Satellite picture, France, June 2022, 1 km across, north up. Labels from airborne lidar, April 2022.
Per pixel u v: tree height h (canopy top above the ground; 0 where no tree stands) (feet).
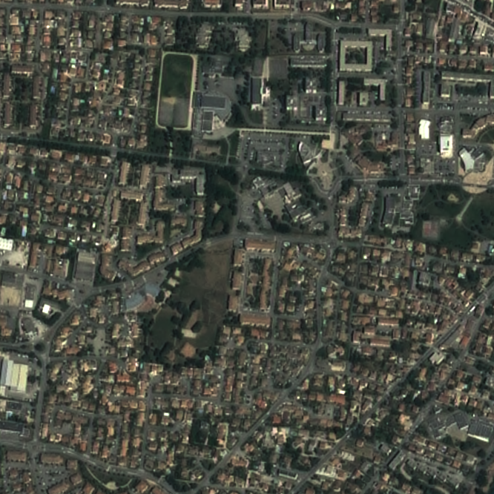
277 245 0
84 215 37
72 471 0
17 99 36
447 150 0
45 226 0
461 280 32
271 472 29
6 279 0
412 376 42
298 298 31
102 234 0
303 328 39
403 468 0
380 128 0
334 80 0
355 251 18
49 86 20
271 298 0
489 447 0
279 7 0
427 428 0
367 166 0
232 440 0
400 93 0
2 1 0
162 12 0
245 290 0
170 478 41
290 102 0
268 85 25
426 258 0
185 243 0
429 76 0
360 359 26
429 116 0
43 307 0
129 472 0
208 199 28
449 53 26
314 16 0
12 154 0
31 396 0
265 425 29
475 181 0
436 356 0
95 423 23
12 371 0
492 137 0
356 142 0
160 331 0
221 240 0
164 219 32
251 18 31
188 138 30
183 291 0
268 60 0
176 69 0
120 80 0
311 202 31
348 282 31
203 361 18
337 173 0
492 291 0
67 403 18
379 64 24
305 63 0
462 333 0
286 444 19
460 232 0
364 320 0
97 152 46
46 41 0
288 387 35
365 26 0
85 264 0
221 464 0
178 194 38
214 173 33
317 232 27
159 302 27
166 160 35
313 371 0
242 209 0
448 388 21
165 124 0
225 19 30
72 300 0
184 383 0
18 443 0
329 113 25
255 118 0
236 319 27
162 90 0
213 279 0
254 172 35
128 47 30
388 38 0
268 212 25
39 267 0
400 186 36
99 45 0
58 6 0
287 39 23
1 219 0
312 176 0
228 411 0
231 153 0
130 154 35
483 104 0
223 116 0
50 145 49
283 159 0
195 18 31
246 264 0
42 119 0
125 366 0
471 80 0
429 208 0
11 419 39
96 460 0
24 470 25
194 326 35
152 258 0
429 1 42
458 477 0
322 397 0
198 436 25
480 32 0
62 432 0
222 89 0
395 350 50
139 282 0
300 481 0
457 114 0
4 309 0
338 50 0
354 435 39
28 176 26
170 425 35
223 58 0
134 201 20
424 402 24
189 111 0
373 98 0
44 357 0
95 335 24
